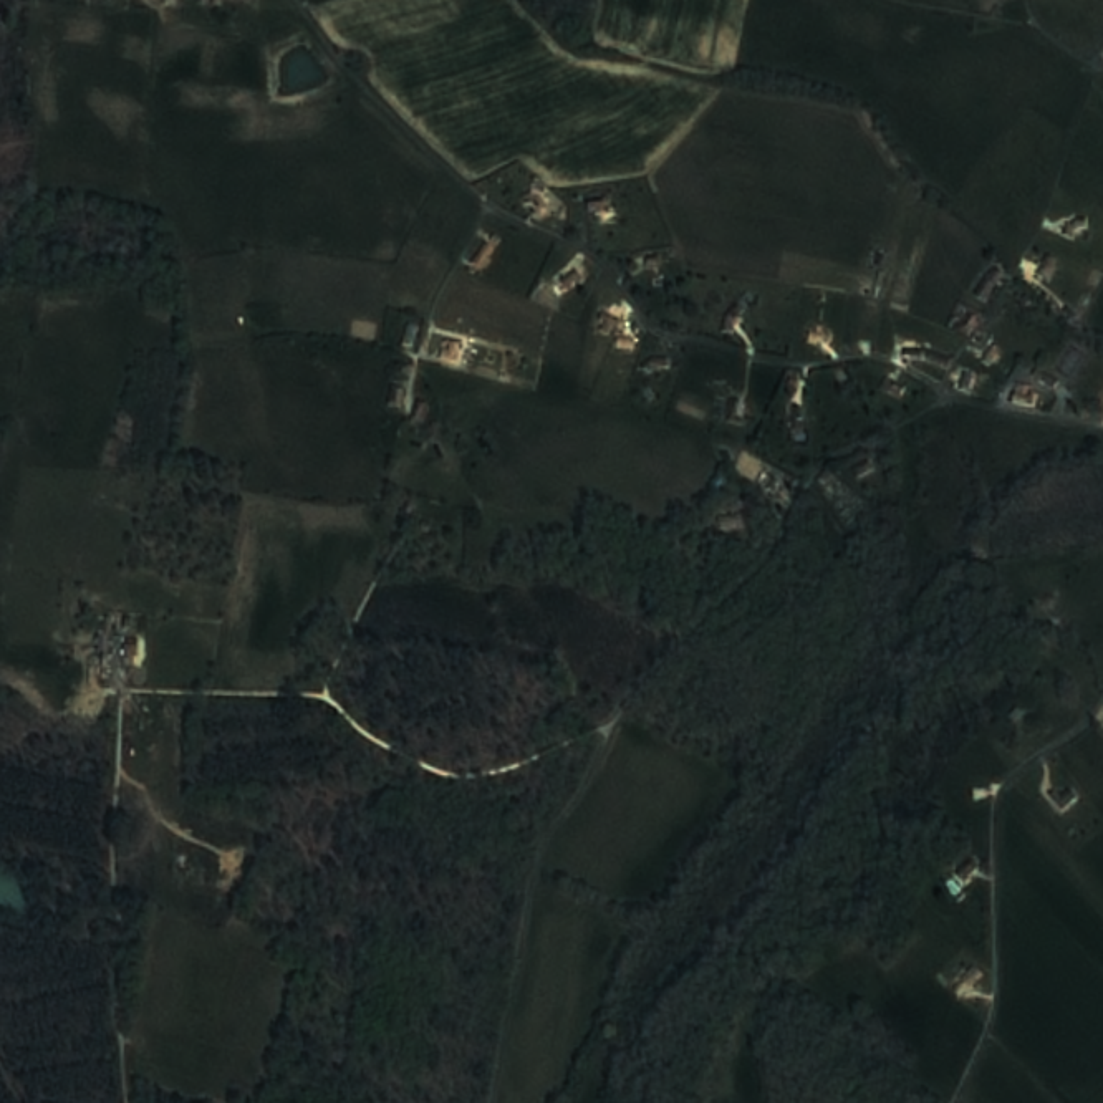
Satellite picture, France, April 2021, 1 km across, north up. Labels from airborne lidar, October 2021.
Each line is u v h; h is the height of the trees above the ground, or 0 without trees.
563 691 28
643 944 21
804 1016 21
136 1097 14
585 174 0
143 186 0
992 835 0
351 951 19
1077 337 14
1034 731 0
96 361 0
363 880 14
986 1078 0
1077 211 0
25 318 0
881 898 11
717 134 0
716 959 18
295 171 0
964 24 0
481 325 0
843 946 22
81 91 0
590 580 24
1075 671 0
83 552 0
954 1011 0
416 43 0
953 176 0
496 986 19
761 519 23
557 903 0
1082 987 0
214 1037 0
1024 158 0
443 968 24
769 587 17
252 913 15
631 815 0
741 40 0
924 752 22
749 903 11
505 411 0
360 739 14
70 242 13
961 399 0
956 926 0
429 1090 14
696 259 0
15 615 0
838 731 6
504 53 0
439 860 17
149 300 17
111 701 0
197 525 7
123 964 15
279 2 0
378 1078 9
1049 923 0
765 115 0
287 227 0
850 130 0
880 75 0
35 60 0
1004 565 0
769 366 0
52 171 0
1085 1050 0
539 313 0
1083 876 0
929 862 22
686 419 0
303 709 19
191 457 12
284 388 0
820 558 15
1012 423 0
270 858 16
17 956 17
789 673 22
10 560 0
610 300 0
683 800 0
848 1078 22
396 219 0
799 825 13
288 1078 19
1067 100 0
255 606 0
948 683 22
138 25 0
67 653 0
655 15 0
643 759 0
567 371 0
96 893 18
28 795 19
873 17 0
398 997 18
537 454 0
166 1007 0
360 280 0
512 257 0
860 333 0
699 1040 23
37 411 0
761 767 9
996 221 0
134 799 0
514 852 23
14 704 18
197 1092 0
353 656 15
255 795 18
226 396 0
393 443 0
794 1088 14
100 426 0
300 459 0
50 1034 15
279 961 14
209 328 0
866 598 14
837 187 0
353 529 0
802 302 0
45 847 17
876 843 17
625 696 22
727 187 0
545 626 0
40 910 14
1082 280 0
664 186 0
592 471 0
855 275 0
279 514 0
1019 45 0
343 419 0
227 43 0
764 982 25
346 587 0
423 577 8
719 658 28
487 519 0
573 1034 0
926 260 0
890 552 12
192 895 0
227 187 0
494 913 17
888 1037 9
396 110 0
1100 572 0
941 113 0
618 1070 19
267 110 0
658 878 0
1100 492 23
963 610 20
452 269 0
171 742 0
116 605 0
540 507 0
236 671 0
